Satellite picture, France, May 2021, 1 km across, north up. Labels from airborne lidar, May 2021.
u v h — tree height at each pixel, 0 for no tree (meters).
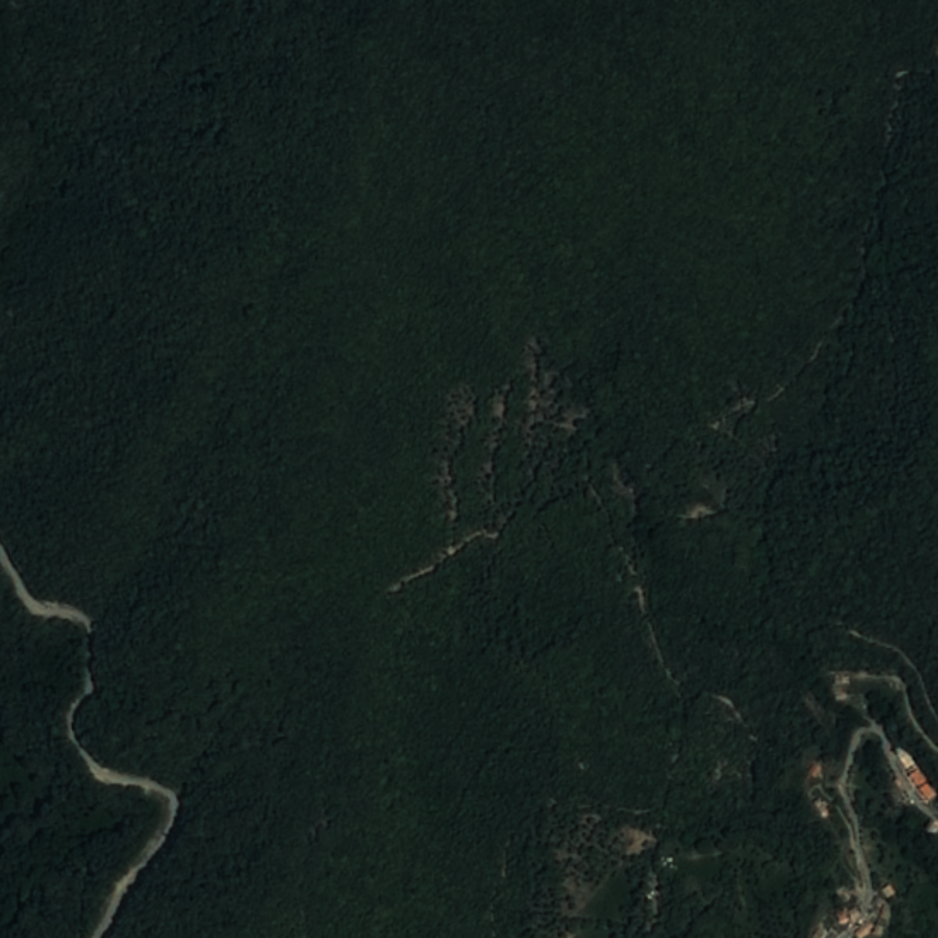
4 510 7
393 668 14
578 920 11
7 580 12
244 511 12
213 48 13
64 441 11
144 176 7
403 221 11
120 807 16
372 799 12
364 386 12
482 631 13
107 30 12
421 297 14
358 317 11
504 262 15
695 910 7
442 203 12
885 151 9
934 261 9
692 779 7
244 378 13
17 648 13
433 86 12
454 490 13
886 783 18
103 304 9
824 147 16
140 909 14
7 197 7
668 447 8
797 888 6
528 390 15
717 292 12
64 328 10
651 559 9
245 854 10
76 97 7
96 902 13
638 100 12
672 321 7
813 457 9
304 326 12
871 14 12
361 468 12
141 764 7
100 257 10
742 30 13
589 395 7
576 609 9
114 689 12
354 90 9
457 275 11
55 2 11
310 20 17
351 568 14
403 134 12
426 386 13
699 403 11
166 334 16
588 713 17
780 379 10
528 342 13
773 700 9
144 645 15
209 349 8
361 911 14
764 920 7
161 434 11
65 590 11
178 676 12
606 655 8
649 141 11
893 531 8
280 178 12
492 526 13
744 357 8
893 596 7
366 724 10
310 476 10
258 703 11
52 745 17
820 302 12
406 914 14
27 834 15
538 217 10
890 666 14
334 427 8
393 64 11
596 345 14
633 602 8
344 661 13
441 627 11
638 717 16
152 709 15
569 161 11
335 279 9
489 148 14
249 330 13
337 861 15
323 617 16
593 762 7
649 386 10
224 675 17
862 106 8
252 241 11
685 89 12
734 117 12
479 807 8
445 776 11
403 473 10
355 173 9
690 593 12
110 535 9
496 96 8
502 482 16
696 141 13
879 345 10
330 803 10
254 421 10
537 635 6
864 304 15
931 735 9
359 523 11
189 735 22
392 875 13
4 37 22
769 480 10
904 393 8
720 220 13
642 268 11
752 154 13
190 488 7
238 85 16
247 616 16
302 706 10
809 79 11
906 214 15
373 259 10
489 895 8
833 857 8
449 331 12
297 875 8
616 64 12
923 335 14
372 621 11
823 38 8
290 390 11
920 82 11
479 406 17
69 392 10
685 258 11
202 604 12
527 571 10
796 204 14
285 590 12
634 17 15
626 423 11
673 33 17
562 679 6
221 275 10
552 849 11
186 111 14
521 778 6
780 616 9
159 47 17
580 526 14
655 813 9
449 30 14
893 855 6
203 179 12
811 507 12
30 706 11
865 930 0
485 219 16
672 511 10
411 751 13
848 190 16
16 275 9
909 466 12
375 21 8
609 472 14
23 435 5
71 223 10
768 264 12
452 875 9
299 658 17
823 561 9
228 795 14
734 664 6
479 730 11
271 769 15
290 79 13
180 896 14
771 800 11
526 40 6
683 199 11
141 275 7
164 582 8
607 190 11
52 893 18
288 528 9
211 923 16
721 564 9
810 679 22
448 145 13
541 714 6
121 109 12
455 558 10
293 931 8
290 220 10
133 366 13
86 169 12
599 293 9
